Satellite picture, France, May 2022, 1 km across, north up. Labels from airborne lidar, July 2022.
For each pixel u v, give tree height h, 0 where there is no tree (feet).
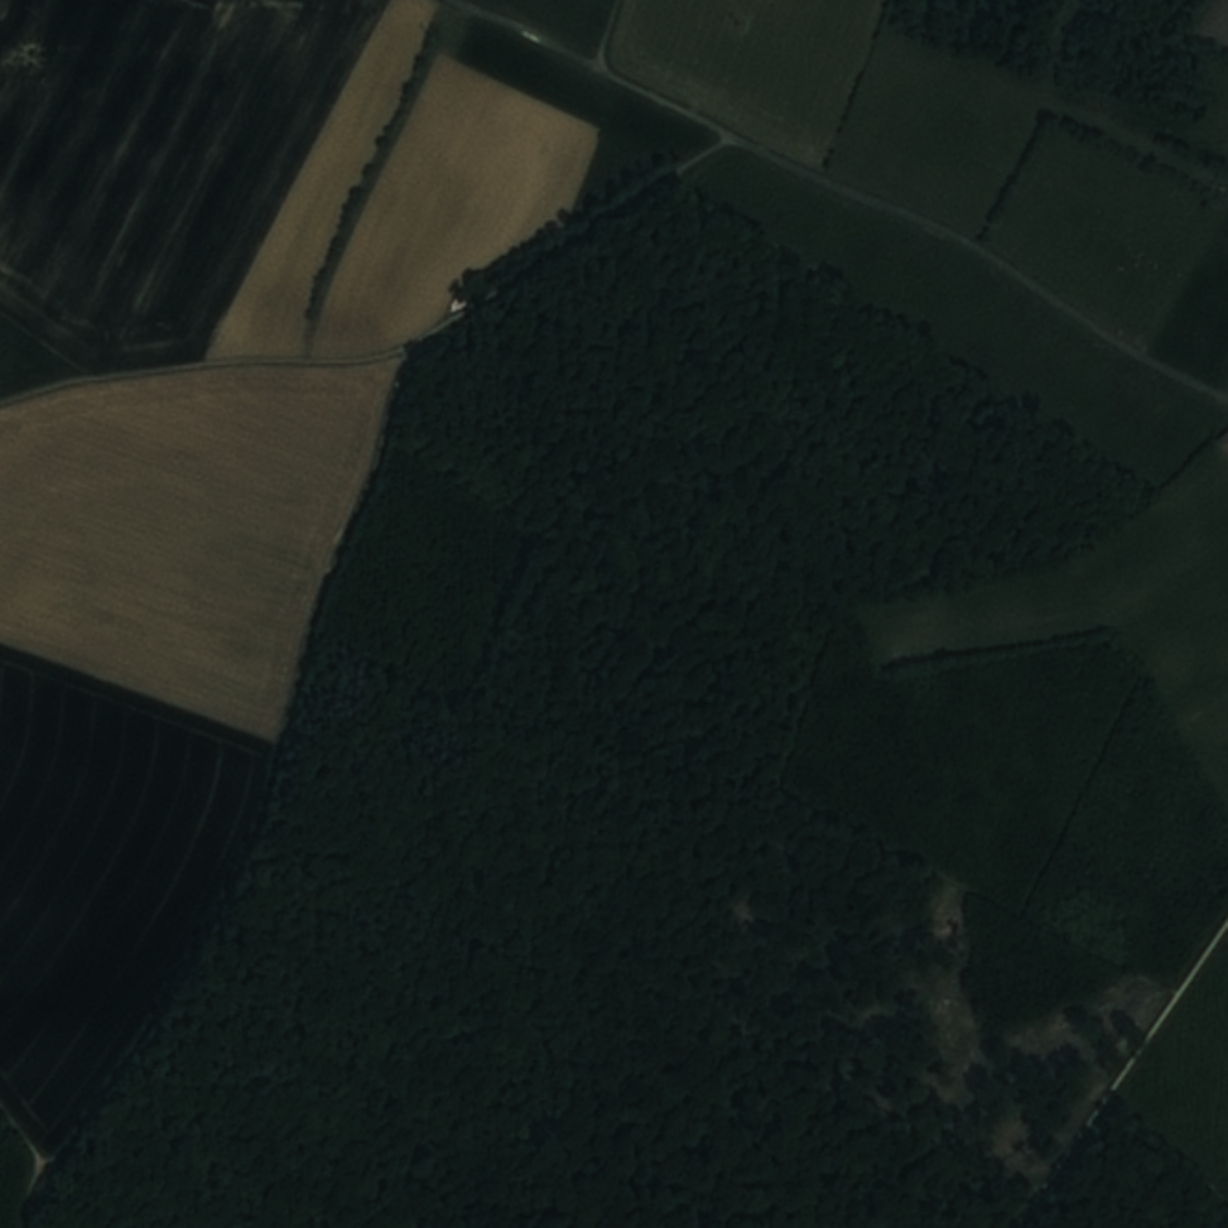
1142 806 31
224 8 0
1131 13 67
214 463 0
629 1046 75
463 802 77
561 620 82
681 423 85
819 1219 90
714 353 87
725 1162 97
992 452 71
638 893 94
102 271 0
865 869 92
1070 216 0
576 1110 96
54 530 0
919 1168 85
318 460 0
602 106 0
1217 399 0
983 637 0
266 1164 86
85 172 0
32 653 0
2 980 0
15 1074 0
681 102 0
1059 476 85
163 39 0
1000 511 101
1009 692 26
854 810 29
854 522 74
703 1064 95
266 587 0
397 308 0
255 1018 87
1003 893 33
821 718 23
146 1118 85
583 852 83
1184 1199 66
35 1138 0
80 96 0
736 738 87
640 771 76
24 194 0
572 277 71
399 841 76
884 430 85
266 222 0
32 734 0
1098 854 32
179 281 0
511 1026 78
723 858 74
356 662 76
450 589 37
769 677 55
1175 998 0
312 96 0
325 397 0
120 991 0
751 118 0
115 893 0
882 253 0
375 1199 76
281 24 0
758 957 95
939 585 75
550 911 92
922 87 0
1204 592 0
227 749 0
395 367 0
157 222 0
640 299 80
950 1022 0
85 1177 69
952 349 0
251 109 0
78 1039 0
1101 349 0
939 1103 84
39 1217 77
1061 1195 80
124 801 0
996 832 29
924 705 37
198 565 0
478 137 0
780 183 0
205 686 0
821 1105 85
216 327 0
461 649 39
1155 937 35
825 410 86
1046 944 41
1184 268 0
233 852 0
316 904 74
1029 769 30
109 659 0
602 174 0
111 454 0
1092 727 30
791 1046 87
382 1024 76
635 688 73
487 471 82
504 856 82
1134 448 0
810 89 0
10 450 0
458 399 79
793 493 77
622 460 86
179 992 78
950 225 0
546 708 80
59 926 0
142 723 0
